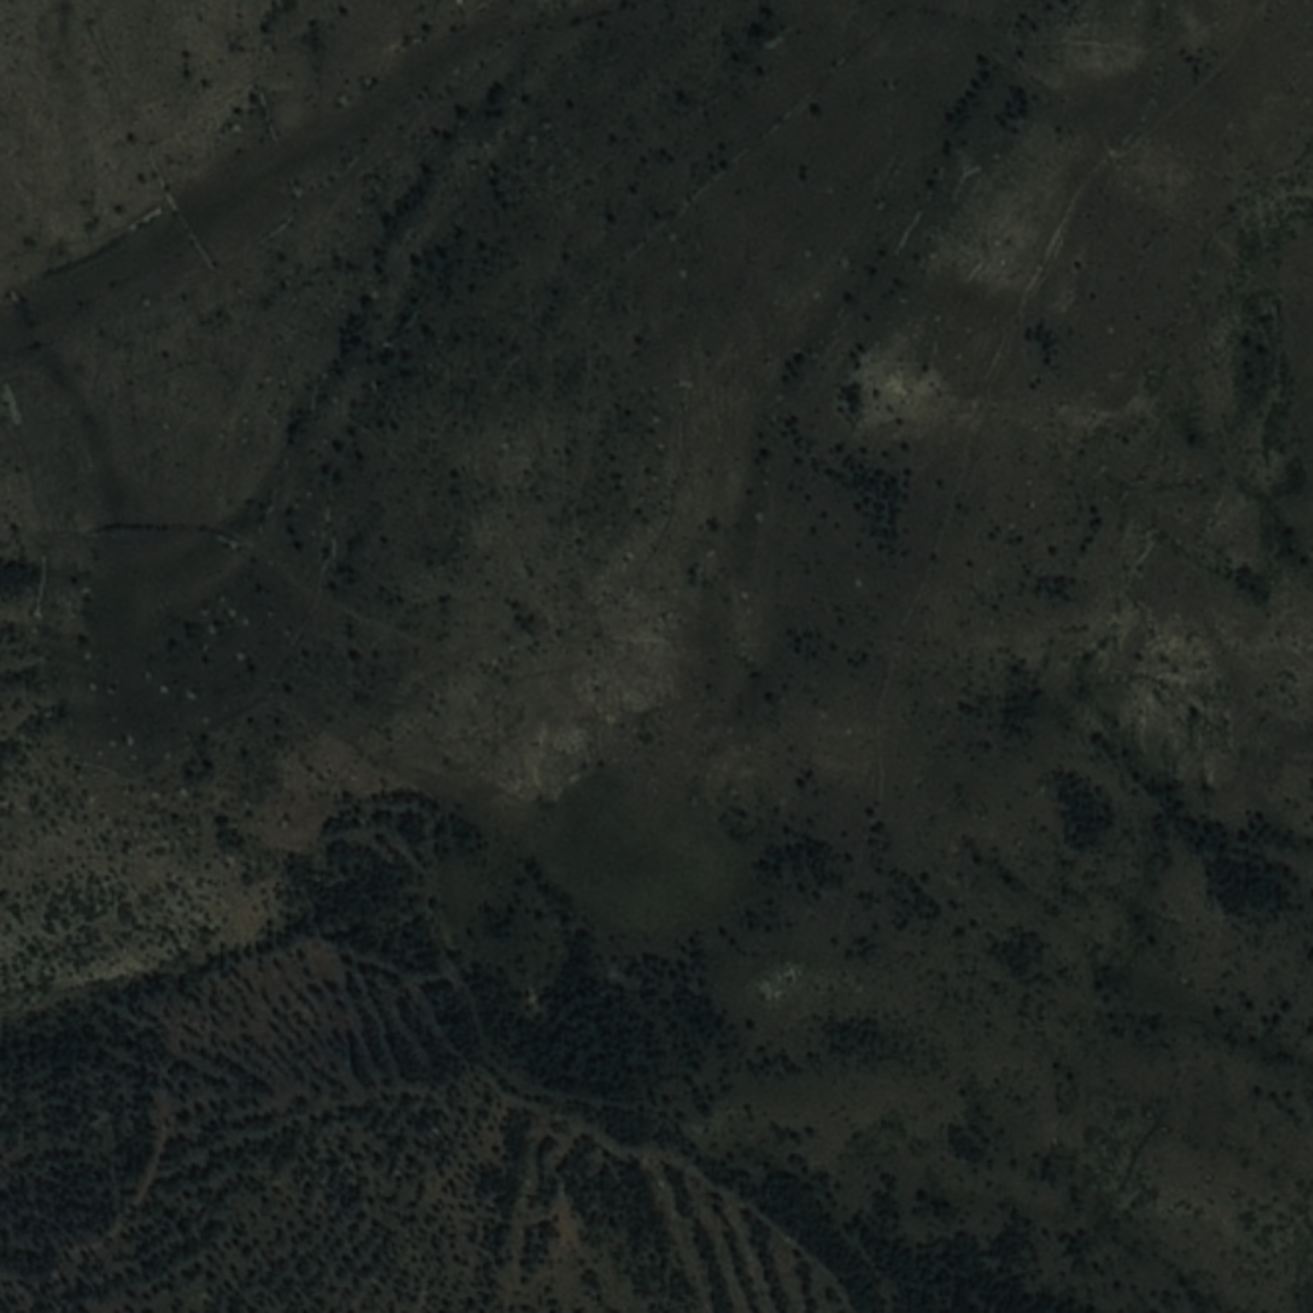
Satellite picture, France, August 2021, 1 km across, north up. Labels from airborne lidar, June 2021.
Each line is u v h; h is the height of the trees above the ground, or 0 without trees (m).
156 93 0
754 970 0
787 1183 11
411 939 11
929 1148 0
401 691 0
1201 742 0
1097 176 0
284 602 0
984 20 0
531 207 0
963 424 0
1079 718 0
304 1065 11
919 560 0
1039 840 0
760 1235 8
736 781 0
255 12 0
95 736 0
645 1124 7
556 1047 8
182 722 0
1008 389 0
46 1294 11
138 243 0
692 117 0
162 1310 0
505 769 0
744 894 0
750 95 0
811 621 0
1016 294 0
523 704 0
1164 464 0
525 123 0
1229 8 0
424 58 0
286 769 0
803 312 0
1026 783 0
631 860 0
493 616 0
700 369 0
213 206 0
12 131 0
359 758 0
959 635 0
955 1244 7
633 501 0
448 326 0
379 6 0
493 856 0
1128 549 0
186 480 0
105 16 0
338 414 0
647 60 0
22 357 0
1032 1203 0
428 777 0
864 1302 7
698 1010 5
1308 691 0
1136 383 0
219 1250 9
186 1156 7
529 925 0
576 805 0
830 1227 9
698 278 0
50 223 0
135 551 0
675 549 0
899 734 0
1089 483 0
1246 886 7
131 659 0
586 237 0
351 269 7
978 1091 0
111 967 0
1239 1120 0
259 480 0
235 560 0
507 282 0
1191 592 0
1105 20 0
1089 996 0
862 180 0
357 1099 0
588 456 0
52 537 0
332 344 0
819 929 0
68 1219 10
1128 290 0
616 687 0
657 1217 7
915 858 0
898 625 0
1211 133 0
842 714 0
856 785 0
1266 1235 0
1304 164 0
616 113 0
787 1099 0
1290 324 0
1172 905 0
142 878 0
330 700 0
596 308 0
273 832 0
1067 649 0
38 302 0
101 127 0
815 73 0
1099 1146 0
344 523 0
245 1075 10
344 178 0
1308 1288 0
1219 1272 0
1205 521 0
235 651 0
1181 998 0
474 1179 9
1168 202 0
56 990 0
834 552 0
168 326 0
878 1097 0
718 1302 8
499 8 0
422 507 0
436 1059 9
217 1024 11
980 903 0
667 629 0
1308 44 0
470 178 0
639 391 0
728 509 0
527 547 0
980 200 0
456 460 0
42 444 0
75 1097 7
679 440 0
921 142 0
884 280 0
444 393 0
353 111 0
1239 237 0
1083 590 0
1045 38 0
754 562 0
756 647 0
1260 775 0
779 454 0
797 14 0
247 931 0
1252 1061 0
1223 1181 0
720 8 0
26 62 0
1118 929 0
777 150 0
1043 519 0
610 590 0
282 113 0
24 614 0
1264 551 0
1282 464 0
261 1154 7
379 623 0
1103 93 0
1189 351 0
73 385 0
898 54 0
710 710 0
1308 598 0
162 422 0
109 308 0
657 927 0
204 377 0
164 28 0
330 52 0
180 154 0
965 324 0
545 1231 8
